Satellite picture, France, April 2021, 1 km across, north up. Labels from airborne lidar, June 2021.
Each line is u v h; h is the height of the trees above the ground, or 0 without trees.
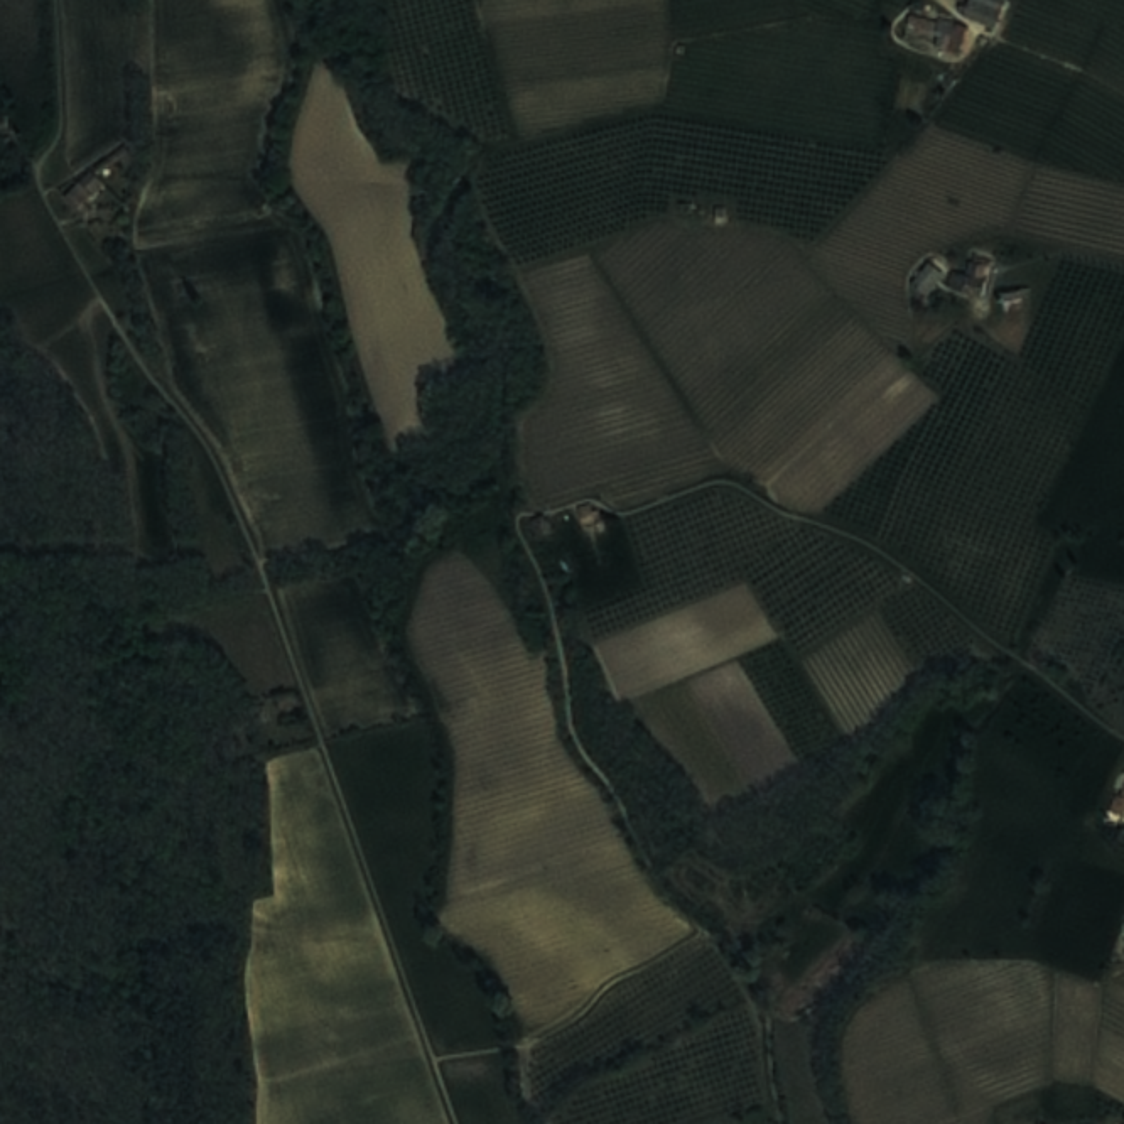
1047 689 0
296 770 0
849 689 0
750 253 0
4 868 18
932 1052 0
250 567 14
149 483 0
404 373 0
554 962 0
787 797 18
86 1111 19
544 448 0
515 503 12
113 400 14
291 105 12
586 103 0
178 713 20
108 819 23
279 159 17
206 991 20
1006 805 0
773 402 0
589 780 12
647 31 0
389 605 18
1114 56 0
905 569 0
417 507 22
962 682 33
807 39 0
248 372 0
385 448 12
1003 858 0
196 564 19
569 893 0
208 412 0
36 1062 17
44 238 0
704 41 0
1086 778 0
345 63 18
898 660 0
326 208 0
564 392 0
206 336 0
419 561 14
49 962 21
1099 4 0
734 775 0
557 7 0
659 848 15
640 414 0
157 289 0
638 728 13
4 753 10
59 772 22
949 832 23
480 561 0
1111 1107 6
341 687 0
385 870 0
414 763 0
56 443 14
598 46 0
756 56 0
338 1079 0
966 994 0
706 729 0
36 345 0
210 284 0
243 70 0
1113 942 0
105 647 18
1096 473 0
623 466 0
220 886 21
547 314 0
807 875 8
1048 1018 0
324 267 13
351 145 0
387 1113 0
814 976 0
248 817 16
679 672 0
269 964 0
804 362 0
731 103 0
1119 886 0
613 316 0
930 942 0
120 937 20
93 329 0
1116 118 0
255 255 0
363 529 0
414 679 6
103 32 0
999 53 0
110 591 23
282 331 0
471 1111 0
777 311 0
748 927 0
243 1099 18
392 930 0
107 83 0
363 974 0
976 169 0
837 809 25
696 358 0
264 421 0
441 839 8
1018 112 0
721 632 0
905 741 27
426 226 24
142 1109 17
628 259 0
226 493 0
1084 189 0
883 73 0
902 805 0
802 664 0
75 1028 18
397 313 0
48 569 25
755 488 14
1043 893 8
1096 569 0
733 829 16
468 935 0
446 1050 0
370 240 0
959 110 0
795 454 0
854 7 0
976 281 0
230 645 0
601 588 0
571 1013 0
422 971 0
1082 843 0
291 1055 0
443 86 6
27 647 29
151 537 0
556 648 10
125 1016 18
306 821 0
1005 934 0
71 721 17
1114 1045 0
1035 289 0
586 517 0
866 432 0
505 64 0
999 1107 0
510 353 19
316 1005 0
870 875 0
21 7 0
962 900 0
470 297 20
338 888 0
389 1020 0
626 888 0
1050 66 0
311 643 0
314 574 21
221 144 0
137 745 16
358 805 0
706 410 0
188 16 0
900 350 0
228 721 18
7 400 20
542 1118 20
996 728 0
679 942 0
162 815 22
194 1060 24
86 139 0
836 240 0
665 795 12
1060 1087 0
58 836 17
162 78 0
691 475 0
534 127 0
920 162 0
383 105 25
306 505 0
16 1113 11
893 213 0
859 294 0
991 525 6
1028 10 0
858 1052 0
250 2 0
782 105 0
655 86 0
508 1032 13
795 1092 0
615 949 0
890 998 0
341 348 12
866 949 15
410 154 9
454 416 17
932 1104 0
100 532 11
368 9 23
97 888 15
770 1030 0
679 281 0
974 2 0
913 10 8
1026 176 0
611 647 0
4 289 0
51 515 18
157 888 21
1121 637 7
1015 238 0
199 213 0
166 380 0
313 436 0
